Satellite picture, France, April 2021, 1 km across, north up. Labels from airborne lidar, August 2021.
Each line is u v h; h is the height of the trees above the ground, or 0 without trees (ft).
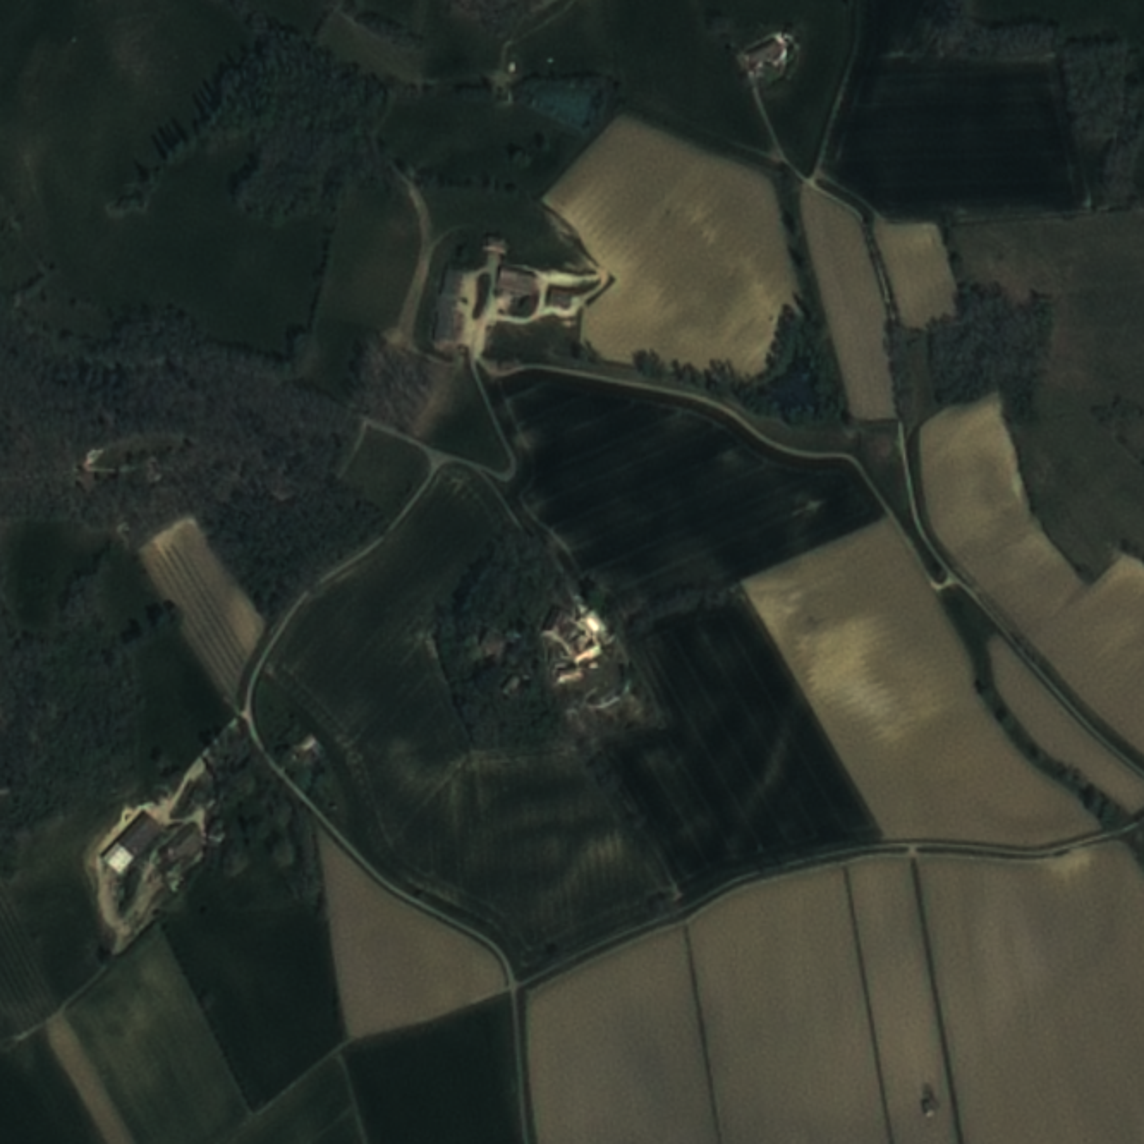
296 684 0
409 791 0
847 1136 0
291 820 80
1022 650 54
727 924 0
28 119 0
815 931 0
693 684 0
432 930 0
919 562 0
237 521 72
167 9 0
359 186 49
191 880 22
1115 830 68
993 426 0
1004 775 0
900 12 0
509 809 0
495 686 47
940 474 0
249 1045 0
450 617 51
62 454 30
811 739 0
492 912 0
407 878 0
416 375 67
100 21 0
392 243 0
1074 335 0
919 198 0
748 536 0
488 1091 0
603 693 0
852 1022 0
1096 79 59
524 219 0
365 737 0
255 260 0
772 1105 0
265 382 56
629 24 0
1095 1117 0
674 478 0
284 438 36
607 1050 0
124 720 55
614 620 41
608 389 0
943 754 0
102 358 39
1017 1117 0
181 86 0
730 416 0
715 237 0
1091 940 0
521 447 0
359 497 56
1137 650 0
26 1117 0
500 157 0
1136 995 0
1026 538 0
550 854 0
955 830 0
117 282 0
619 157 0
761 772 0
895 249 0
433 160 0
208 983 0
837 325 0
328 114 74
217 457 38
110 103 0
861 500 0
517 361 0
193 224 0
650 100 0
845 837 0
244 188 64
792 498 0
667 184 0
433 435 0
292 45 107
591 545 0
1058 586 0
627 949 0
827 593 0
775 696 0
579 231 0
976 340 51
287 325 0
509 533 29
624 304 0
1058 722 0
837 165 0
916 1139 0
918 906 0
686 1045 0
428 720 0
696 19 0
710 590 44
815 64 0
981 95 0
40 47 0
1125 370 0
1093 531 0
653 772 0
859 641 0
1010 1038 0
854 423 63
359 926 0
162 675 0
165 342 47
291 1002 0
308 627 0
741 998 0
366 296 0
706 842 0
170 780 40
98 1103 0
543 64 0
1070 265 0
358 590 0
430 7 0
